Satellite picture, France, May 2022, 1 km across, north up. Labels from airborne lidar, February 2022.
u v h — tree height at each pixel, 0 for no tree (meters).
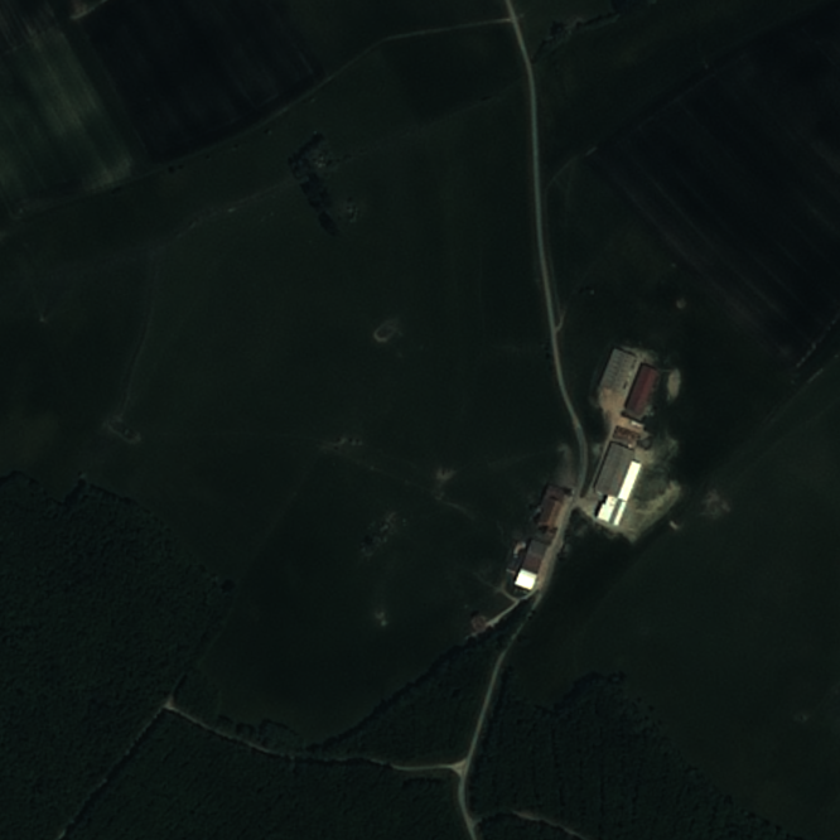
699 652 0
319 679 0
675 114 0
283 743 15
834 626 0
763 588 0
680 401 0
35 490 14
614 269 0
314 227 0
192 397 0
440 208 0
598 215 0
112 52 0
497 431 0
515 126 0
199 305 0
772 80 0
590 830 14
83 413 0
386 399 0
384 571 0
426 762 0
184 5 0
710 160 0
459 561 0
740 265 0
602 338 0
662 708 0
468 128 0
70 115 0
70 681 12
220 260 0
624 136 0
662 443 0
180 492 0
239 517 0
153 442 0
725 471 0
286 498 0
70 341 0
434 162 0
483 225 0
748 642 0
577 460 0
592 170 0
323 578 0
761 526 0
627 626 0
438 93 0
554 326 0
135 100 0
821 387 0
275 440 0
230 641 0
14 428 0
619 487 0
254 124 0
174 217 0
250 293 0
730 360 0
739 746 0
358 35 0
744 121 0
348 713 0
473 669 15
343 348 0
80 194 0
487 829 15
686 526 0
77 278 0
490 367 0
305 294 0
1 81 0
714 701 0
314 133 0
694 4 0
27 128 0
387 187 0
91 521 15
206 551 0
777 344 0
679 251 0
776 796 0
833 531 0
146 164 0
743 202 0
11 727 14
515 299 0
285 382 0
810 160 0
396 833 13
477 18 0
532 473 0
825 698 0
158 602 17
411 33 0
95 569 16
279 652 0
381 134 0
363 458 0
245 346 0
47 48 0
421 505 0
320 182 23
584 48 0
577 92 0
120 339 0
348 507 0
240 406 0
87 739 16
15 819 14
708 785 11
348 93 0
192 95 0
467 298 0
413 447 0
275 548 0
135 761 13
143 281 0
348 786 14
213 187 0
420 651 0
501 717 12
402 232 0
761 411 0
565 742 14
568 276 0
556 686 0
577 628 0
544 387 0
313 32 0
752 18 0
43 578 12
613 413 0
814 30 0
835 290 0
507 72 0
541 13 0
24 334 0
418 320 0
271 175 0
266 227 0
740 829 12
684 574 0
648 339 0
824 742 0
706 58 0
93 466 0
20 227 0
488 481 0
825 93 0
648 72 0
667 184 0
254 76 0
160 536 14
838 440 0
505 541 0
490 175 0
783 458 0
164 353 0
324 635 0
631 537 0
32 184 0
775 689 0
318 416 0
